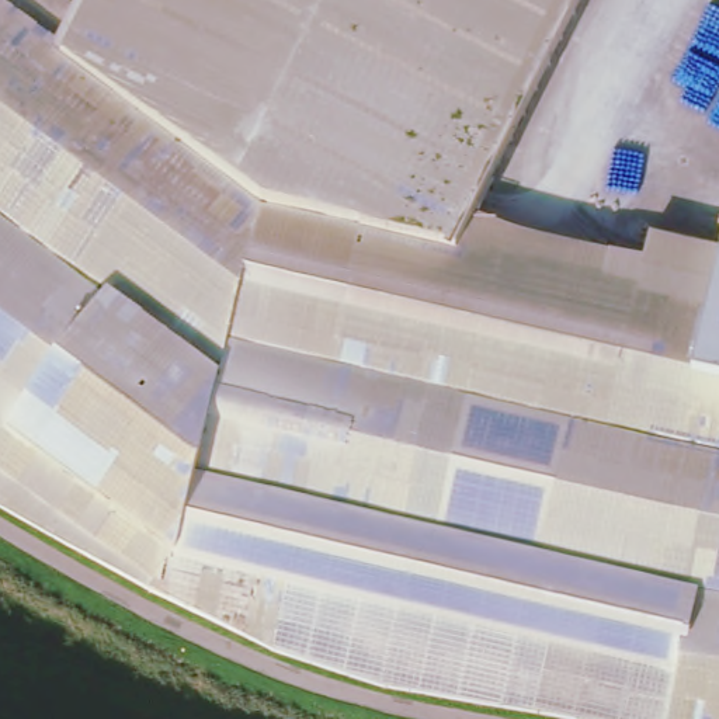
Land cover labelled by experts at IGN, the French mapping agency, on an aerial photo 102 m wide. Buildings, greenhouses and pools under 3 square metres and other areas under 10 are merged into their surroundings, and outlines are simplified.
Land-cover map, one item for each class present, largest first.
<instances>
[{"label":"building","instance_id":"1","mask_svg":"<svg viewBox=\"0 0 719 719\"><path fill-rule=\"evenodd\" d=\"M576 0H0V508L22 520L25 525L48 534L51 539L73 548L84 559L143 587L146 593H154L194 615H202L205 621L219 624L239 638H250L267 646V652L323 666L329 671L374 682L379 688L559 719H719V239L708 242L652 227L640 250H629L522 227L480 211L477 197L486 188L492 166L520 115L522 98L534 90L545 67V59Z\"/></svg>","mask_w":719,"mask_h":719},{"label":"impervious surface","instance_id":"2","mask_svg":"<svg viewBox=\"0 0 719 719\"><path fill-rule=\"evenodd\" d=\"M480 211L522 227L629 250H640L652 227L708 242L719 239V0H576L545 59V67L534 90L522 98L520 115L492 166L486 188L477 197ZM0 539L25 550L42 565L70 576L73 581L101 593L104 598L126 607L129 612L211 649L213 654H222L281 682L404 719H494L449 708L418 705L399 697L371 694L256 654L118 587L95 570L62 556L59 550L42 545L25 531L0 520Z\"/></svg>","mask_w":719,"mask_h":719},{"label":"water","instance_id":"3","mask_svg":"<svg viewBox=\"0 0 719 719\"><path fill-rule=\"evenodd\" d=\"M0 719H281L258 711L219 705L188 682L154 680L143 674L138 666L115 657L112 652L98 649L93 640L79 638L65 624L42 618L31 607L17 604L11 595L0 590Z\"/></svg>","mask_w":719,"mask_h":719},{"label":"herbaceous vegetation","instance_id":"4","mask_svg":"<svg viewBox=\"0 0 719 719\"><path fill-rule=\"evenodd\" d=\"M0 520L25 531L42 545L59 550L62 556L95 570L118 587L256 654L371 694L399 697L418 705L449 708L494 719H559L379 688L374 682L329 671L323 666L267 652V646L250 638H239L219 624L205 621L202 615H194L154 593H146L143 587L84 559L73 548L51 539L48 534L25 525L22 520L0 508ZM0 573L25 581L31 590L51 598L53 604L79 612L84 621L107 626L112 635L135 643L143 652L163 657V652L169 649L177 657L199 668H208L211 682L222 677L253 691L275 694L284 702H298L309 713V719H404L281 682L222 654H213L211 649L129 612L126 607L104 598L101 593L73 581L70 576L42 565L25 550L0 539Z\"/></svg>","mask_w":719,"mask_h":719},{"label":"brushwood","instance_id":"5","mask_svg":"<svg viewBox=\"0 0 719 719\"><path fill-rule=\"evenodd\" d=\"M0 590L11 595L17 604L31 607L42 618L65 624L79 638L93 640L98 649L112 652L115 657L138 666L143 674L154 680L188 682L219 705L258 711L281 719H309V713L298 702H284L275 694L253 691L222 677L211 682L208 668H199L177 657L169 649L163 652V657L143 652L135 643L112 635L107 626L84 621L79 612L53 604L51 598L31 590L25 581L0 573Z\"/></svg>","mask_w":719,"mask_h":719}]
</instances>
